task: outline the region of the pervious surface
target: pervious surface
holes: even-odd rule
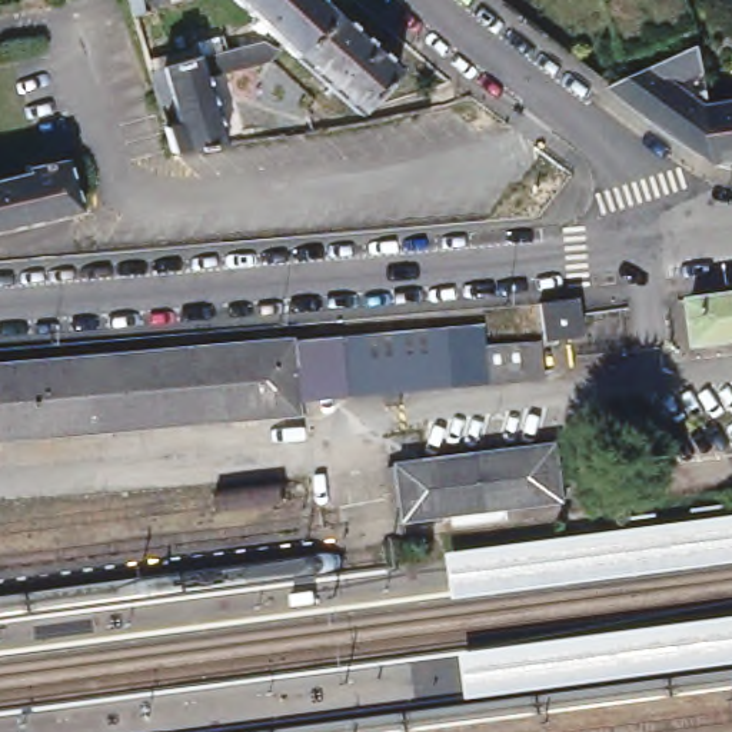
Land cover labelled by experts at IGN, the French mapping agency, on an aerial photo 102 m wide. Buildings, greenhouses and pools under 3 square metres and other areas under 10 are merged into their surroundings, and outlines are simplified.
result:
[[[689,509],[681,500],[681,506],[635,512],[629,518],[615,520],[583,518],[572,500],[572,486],[563,480],[563,506],[558,518],[549,523],[455,529],[452,518],[440,518],[432,529],[435,549],[429,560],[446,558],[449,552],[463,549],[643,529],[729,515],[718,503]]]
[[[432,652],[460,652],[732,618],[732,563],[460,600],[452,598],[0,658],[0,709],[154,692],[326,666],[352,666]]]
[[[409,715],[295,726],[277,732],[732,732],[732,675],[675,681],[678,692],[663,692],[663,683],[646,683],[560,698],[540,695],[543,709],[532,709],[532,701],[495,706],[446,706]]]
[[[292,478],[286,475],[286,469],[254,469],[220,475],[217,483],[194,486],[117,492],[100,489],[83,495],[0,500],[0,626],[40,626],[123,609],[220,600],[257,592],[275,592],[277,598],[289,600],[297,592],[315,595],[317,583],[366,580],[386,575],[386,569],[380,558],[380,540],[392,532],[389,495],[383,489],[386,463],[377,472],[363,475],[346,475],[343,469],[329,466],[306,466],[300,475]]]

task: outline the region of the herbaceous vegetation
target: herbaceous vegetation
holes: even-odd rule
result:
[[[134,3],[134,0],[114,0],[120,6],[120,17],[146,92],[154,89],[146,60],[160,57],[166,63],[186,63],[197,57],[203,40],[223,37],[229,26],[246,29],[252,20],[240,0],[143,0],[143,3],[146,3],[146,9],[143,9],[143,14],[140,14],[140,17],[134,17],[134,14],[132,14],[132,3]]]
[[[54,163],[57,149],[51,146],[51,140],[23,117],[26,100],[31,94],[17,94],[17,86],[23,80],[17,74],[17,63],[0,63],[0,177],[26,172],[34,163]]]
[[[686,0],[503,0],[512,11],[526,17],[538,31],[543,31],[558,46],[583,46],[589,43],[589,31],[606,29],[635,37],[646,20],[672,23],[681,14],[686,17]]]
[[[683,37],[681,46],[672,46],[635,63],[600,63],[598,57],[589,57],[583,63],[609,83],[629,77],[641,66],[655,66],[672,54],[698,46],[709,80],[709,97],[732,97],[732,74],[723,71],[718,54],[709,49],[706,34],[698,31]]]

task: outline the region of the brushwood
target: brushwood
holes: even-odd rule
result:
[[[689,509],[718,503],[729,515],[732,515],[732,475],[721,483],[683,492],[681,500]]]
[[[589,43],[583,46],[589,57],[598,57],[600,63],[635,63],[672,46],[681,46],[683,37],[698,31],[706,34],[709,49],[718,54],[723,71],[732,74],[732,0],[686,0],[686,17],[681,14],[672,23],[646,20],[635,37],[606,29],[589,31]]]
[[[49,40],[29,37],[0,46],[0,63],[17,63],[46,57]]]
[[[420,566],[429,560],[435,549],[432,529],[423,523],[412,523],[403,532],[392,532],[380,540],[380,558],[386,569]]]
[[[172,126],[166,120],[166,109],[157,103],[154,89],[146,92],[146,109],[157,117],[154,132],[163,140],[163,154],[169,154],[172,149],[166,143],[166,134]]]

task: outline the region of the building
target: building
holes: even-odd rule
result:
[[[540,340],[492,346],[486,343],[486,323],[472,323],[346,337],[266,337],[137,352],[0,360],[0,443],[69,440],[89,435],[123,435],[174,426],[223,426],[243,420],[272,420],[275,426],[277,420],[292,417],[306,420],[309,403],[317,400],[383,397],[386,406],[400,406],[403,397],[412,392],[540,383],[546,377],[546,357],[540,355]]]
[[[63,223],[69,214],[89,206],[89,192],[69,197],[69,192],[63,192],[66,183],[54,174],[54,163],[34,163],[26,172],[0,177],[0,237],[14,237],[29,229],[51,229]]]
[[[543,306],[549,337],[572,340],[583,329],[589,329],[592,312],[629,309],[629,300],[589,300],[583,292],[580,297]]]
[[[146,60],[154,89],[157,103],[166,109],[166,120],[172,126],[166,134],[166,143],[172,149],[169,154],[172,160],[177,160],[180,154],[194,154],[206,146],[217,146],[226,129],[232,129],[232,134],[252,134],[277,126],[312,123],[309,114],[300,109],[300,89],[292,83],[289,74],[277,69],[283,63],[280,49],[315,74],[315,86],[320,92],[343,100],[352,109],[352,114],[369,114],[380,109],[380,86],[392,86],[403,77],[406,54],[403,49],[395,54],[383,51],[383,43],[363,29],[363,23],[349,20],[337,0],[240,0],[252,20],[246,29],[229,26],[223,37],[203,40],[197,57],[186,63],[166,63],[160,57]]]
[[[432,529],[440,518],[452,518],[455,529],[549,523],[558,518],[563,506],[563,480],[558,443],[386,463],[383,489],[389,495],[392,532],[403,532],[412,523],[423,523]]]
[[[134,0],[134,3],[132,3],[132,14],[134,14],[134,17],[140,17],[140,14],[143,14],[143,9],[146,9],[146,3],[143,3],[143,0]]]
[[[452,598],[460,600],[732,563],[732,515],[729,515],[643,529],[463,549],[449,552],[446,558]]]
[[[466,698],[732,663],[732,618],[460,652],[458,663]]]
[[[629,77],[609,83],[618,97],[623,97],[646,117],[669,126],[686,146],[701,152],[706,160],[721,163],[732,152],[732,97],[709,97],[709,80],[698,46],[672,54],[655,66],[641,66]]]
[[[732,343],[732,292],[709,292],[683,300],[686,337],[692,349]]]

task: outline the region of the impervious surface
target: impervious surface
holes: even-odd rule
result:
[[[295,726],[409,715],[446,706],[495,706],[532,701],[532,709],[543,709],[540,695],[560,698],[646,683],[663,683],[663,692],[678,692],[675,681],[732,675],[732,663],[466,698],[458,663],[460,652],[432,652],[352,666],[326,666],[154,692],[0,709],[0,732],[277,732]]]
[[[452,598],[446,558],[429,560],[420,566],[386,569],[386,575],[366,580],[317,583],[315,595],[297,592],[289,600],[277,598],[275,592],[257,592],[220,600],[123,609],[40,626],[0,626],[0,658]]]
[[[612,392],[635,415],[661,415],[675,426],[689,458],[678,458],[672,486],[678,495],[683,492],[721,483],[732,475],[732,343],[692,349],[686,337],[683,300],[709,292],[732,292],[732,152],[721,163],[706,160],[701,152],[686,146],[669,126],[646,117],[623,97],[618,97],[609,83],[583,63],[589,57],[583,46],[558,46],[543,31],[538,31],[526,17],[512,11],[503,0],[337,0],[349,20],[363,23],[363,29],[383,43],[383,51],[395,54],[403,49],[406,54],[403,77],[392,86],[380,86],[380,109],[369,114],[352,114],[352,109],[343,100],[320,92],[315,86],[315,74],[280,49],[283,63],[277,69],[289,74],[292,83],[300,89],[300,109],[309,114],[312,123],[277,126],[252,134],[232,134],[232,129],[226,129],[217,146],[206,146],[194,154],[180,154],[177,160],[172,160],[169,154],[163,154],[163,140],[154,132],[157,117],[146,109],[146,92],[120,17],[120,6],[114,0],[0,0],[0,46],[29,37],[49,40],[46,57],[17,63],[17,74],[23,80],[17,86],[17,94],[31,94],[26,100],[23,117],[51,140],[51,146],[57,149],[54,163],[54,174],[66,183],[63,192],[69,192],[69,197],[89,192],[89,206],[69,214],[63,223],[51,229],[29,229],[14,237],[0,237],[0,360],[137,352],[266,337],[346,337],[472,323],[486,323],[486,343],[492,346],[540,340],[540,355],[546,357],[546,377],[540,383],[412,392],[403,397],[400,406],[386,406],[383,397],[317,400],[309,403],[306,420],[292,417],[277,420],[275,426],[272,420],[243,420],[223,426],[174,426],[123,435],[89,435],[69,440],[0,443],[0,500],[83,495],[100,489],[117,492],[194,486],[217,483],[220,475],[254,469],[286,469],[286,475],[292,478],[300,475],[306,466],[329,466],[343,469],[346,475],[363,475],[377,472],[386,463],[558,443],[558,423],[563,429],[572,429],[575,423],[580,423],[580,415],[595,395]],[[549,337],[543,306],[580,297],[583,292],[589,300],[629,300],[629,309],[592,312],[589,329],[583,329],[572,340]]]

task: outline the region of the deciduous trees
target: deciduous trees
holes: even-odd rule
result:
[[[683,492],[678,495],[672,486],[678,458],[689,458],[675,426],[661,415],[635,415],[612,392],[595,395],[580,415],[580,423],[575,423],[572,429],[563,429],[558,423],[558,443],[563,480],[572,486],[572,500],[583,518],[615,520],[629,518],[635,512],[681,506],[681,500]]]

